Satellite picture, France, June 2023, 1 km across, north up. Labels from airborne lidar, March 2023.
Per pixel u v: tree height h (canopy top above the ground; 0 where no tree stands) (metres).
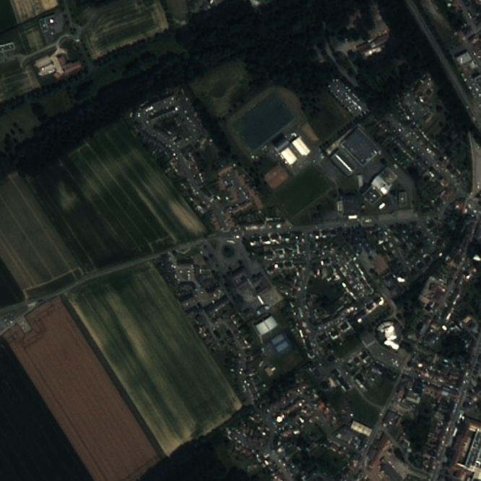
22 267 0
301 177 0
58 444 0
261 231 0
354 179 0
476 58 0
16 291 0
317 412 0
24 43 0
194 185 0
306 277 0
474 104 0
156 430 0
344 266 0
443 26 0
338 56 17
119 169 0
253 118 0
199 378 0
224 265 0
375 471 0
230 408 0
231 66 0
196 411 0
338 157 0
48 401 0
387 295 0
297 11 14
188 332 0
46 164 0
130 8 0
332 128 0
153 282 0
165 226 0
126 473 0
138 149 0
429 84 0
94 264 0
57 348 0
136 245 0
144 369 0
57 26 0
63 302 0
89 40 0
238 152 0
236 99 0
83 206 0
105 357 0
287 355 0
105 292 0
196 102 13
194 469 16
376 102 24
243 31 14
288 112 0
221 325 0
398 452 14
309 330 0
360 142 0
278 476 0
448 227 9
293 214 0
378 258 0
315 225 0
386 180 0
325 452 0
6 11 0
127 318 0
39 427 0
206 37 27
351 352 0
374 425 0
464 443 0
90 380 0
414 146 0
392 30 24
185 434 0
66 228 0
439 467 0
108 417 0
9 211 0
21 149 21
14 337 0
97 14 0
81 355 0
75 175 0
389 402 0
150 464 0
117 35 0
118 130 0
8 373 0
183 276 0
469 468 0
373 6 0
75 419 0
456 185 0
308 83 18
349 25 0
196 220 0
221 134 11
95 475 0
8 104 12
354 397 0
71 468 0
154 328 0
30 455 0
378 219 0
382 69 0
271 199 0
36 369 0
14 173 0
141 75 19
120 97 29
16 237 0
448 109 9
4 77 0
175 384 0
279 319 0
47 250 0
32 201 0
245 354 0
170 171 0
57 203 0
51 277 0
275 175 0
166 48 0
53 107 0
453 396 0
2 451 0
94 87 0
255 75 18
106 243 0
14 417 0
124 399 0
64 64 0
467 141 8
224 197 0
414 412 0
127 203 0
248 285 0
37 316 0
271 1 0
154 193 0
